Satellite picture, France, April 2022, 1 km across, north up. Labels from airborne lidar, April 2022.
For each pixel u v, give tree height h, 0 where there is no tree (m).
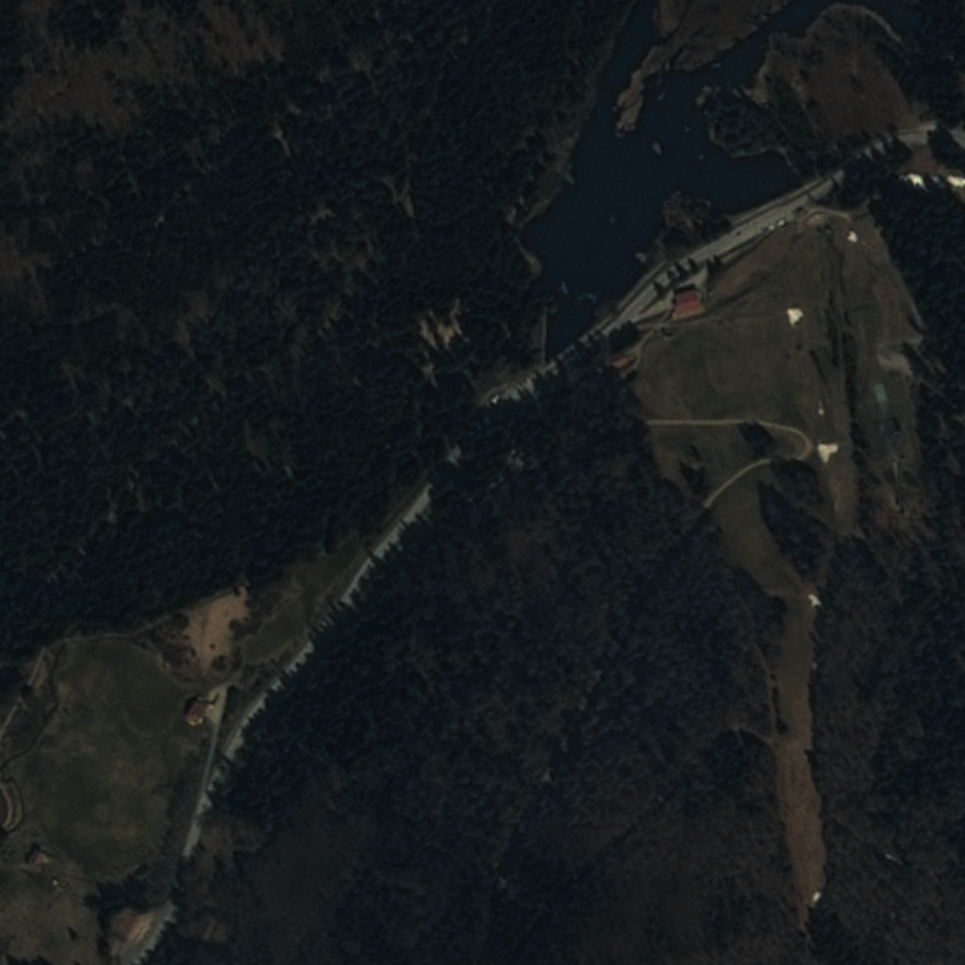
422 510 0
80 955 0
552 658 27
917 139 0
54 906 0
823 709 20
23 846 0
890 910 11
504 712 26
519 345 25
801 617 0
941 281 36
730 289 0
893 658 27
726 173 0
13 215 23
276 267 28
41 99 10
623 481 29
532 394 0
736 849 19
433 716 14
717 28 0
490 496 23
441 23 15
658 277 0
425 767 23
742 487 0
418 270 24
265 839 14
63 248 22
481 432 21
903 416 0
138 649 0
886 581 36
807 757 0
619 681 28
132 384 26
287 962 18
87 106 17
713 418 0
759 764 12
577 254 0
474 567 15
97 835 0
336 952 16
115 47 6
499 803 14
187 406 29
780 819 10
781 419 0
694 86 0
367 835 18
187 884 22
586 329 0
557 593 20
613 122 0
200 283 19
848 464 0
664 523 26
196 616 0
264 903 22
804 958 18
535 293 20
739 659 16
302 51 18
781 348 0
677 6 0
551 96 14
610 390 18
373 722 13
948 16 24
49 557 12
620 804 11
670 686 24
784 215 0
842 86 0
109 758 0
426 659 21
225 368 24
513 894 20
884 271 0
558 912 18
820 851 0
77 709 0
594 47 22
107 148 19
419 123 23
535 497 19
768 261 0
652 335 0
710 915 12
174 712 0
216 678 0
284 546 19
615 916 15
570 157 0
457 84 25
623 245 0
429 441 11
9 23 17
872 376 0
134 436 32
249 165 29
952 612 20
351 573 0
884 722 27
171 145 23
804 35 0
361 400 23
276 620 0
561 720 26
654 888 14
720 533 8
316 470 21
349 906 15
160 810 0
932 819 28
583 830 18
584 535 21
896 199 31
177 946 16
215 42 12
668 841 11
